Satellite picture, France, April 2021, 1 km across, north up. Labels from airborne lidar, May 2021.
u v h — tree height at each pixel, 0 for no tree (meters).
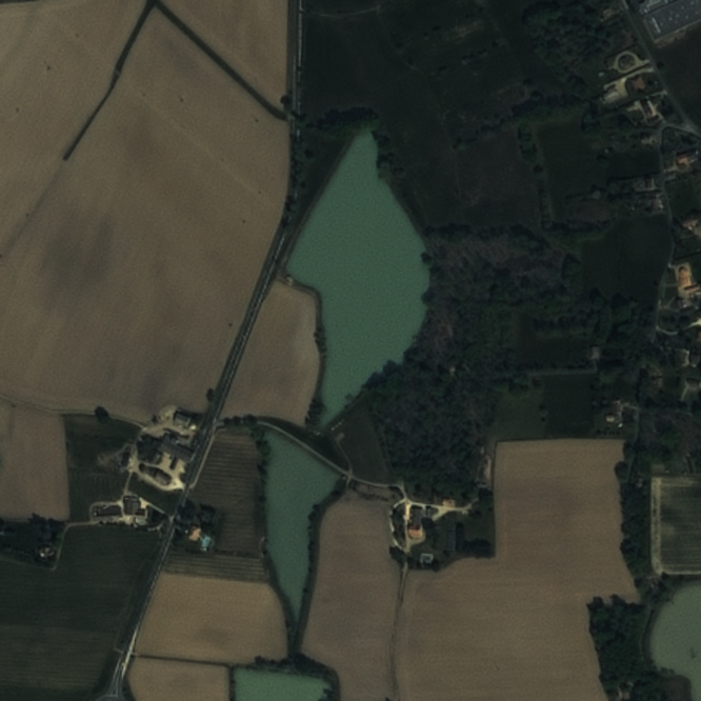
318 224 0
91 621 0
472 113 0
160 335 0
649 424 20
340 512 0
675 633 0
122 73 0
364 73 0
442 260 17
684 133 0
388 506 0
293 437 0
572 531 0
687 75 0
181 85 0
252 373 0
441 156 0
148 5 0
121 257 0
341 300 0
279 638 0
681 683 7
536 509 0
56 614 0
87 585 0
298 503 0
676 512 0
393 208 0
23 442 0
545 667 0
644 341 10
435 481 15
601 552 0
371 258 0
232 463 0
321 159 0
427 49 0
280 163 0
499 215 0
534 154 20
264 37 0
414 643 0
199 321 0
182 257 0
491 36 0
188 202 0
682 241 9
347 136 15
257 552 0
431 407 19
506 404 0
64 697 0
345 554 0
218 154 0
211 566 0
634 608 11
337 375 0
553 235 20
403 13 0
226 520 0
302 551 0
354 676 0
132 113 0
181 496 0
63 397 0
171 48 0
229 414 0
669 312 0
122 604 0
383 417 14
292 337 0
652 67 0
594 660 0
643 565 23
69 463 0
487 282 17
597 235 15
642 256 0
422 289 0
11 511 0
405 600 0
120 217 0
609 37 13
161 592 0
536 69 0
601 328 18
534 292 19
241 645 0
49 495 0
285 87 0
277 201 0
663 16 0
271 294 0
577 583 0
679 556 0
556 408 0
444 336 10
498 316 13
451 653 0
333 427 0
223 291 0
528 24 16
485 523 0
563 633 0
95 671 0
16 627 0
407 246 0
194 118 0
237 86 0
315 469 0
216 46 0
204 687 0
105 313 0
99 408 0
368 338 0
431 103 0
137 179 0
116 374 0
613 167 0
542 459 0
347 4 0
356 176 0
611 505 0
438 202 0
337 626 0
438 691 0
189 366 0
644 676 18
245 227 0
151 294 0
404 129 0
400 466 18
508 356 10
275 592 0
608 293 0
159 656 0
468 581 0
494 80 0
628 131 19
